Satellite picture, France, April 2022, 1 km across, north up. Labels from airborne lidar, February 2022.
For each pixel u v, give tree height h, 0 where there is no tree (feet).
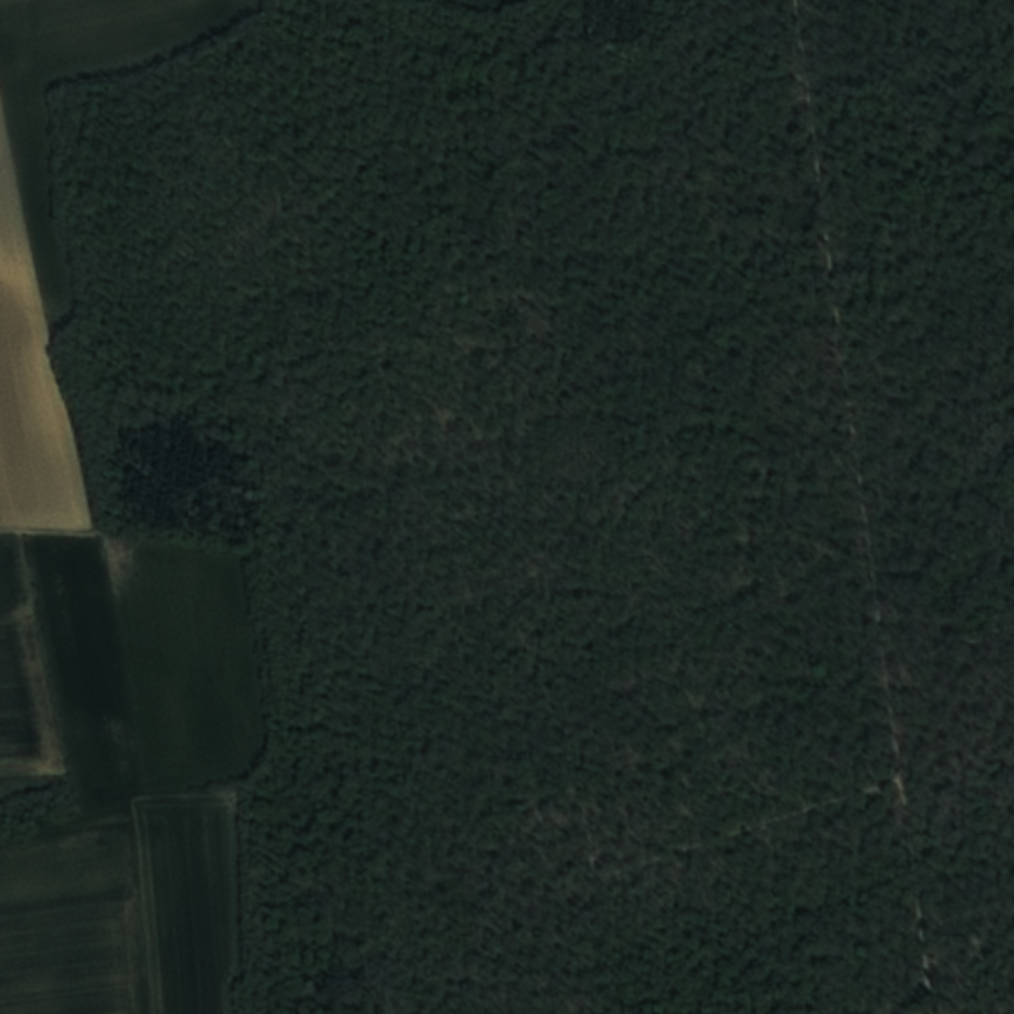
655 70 56
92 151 77
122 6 0
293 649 59
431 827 63
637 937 67
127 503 47
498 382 80
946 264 78
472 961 58
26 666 0
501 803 68
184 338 76
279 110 70
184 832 0
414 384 69
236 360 69
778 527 74
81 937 0
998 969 70
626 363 74
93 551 0
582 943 78
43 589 0
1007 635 64
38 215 0
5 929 0
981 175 68
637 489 74
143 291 69
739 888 80
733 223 62
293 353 68
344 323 60
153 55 0
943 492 62
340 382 67
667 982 43
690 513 66
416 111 71
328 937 79
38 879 0
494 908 66
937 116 74
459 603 68
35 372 0
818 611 75
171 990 0
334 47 50
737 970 63
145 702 0
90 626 0
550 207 63
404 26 64
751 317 80
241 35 60
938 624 78
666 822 76
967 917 81
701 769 75
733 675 75
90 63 0
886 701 70
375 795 75
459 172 67
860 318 74
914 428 76
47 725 0
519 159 67
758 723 79
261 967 54
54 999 0
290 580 71
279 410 75
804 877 71
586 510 78
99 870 0
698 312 76
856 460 70
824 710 82
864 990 82
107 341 73
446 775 70
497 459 72
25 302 0
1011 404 58
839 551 74
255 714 0
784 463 80
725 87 66
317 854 49
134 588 0
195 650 0
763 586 25
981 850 68
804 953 62
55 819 48
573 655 72
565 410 56
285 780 62
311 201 70
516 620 65
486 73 65
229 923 0
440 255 65
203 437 52
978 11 0
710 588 73
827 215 87
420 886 73
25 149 0
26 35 0
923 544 63
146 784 0
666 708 72
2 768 0
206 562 0
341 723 72
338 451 61
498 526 73
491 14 52
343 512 69
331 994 80
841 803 73
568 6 71
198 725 0
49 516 0
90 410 79
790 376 78
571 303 76
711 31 79
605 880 70
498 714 77
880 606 79
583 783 72
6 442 0
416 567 77
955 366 63
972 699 70
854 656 79
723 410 79
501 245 66
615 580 74
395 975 53
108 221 73
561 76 66
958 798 72
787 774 72
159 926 0
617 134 67
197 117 67
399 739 50
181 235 62
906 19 75
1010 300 78
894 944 70
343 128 56
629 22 46
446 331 69
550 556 71
